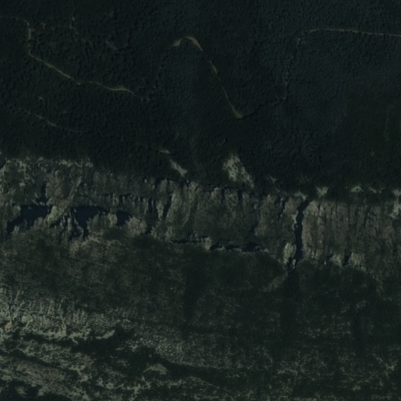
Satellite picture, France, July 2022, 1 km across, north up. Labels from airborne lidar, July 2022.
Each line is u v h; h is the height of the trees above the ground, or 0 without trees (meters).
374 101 12
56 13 20
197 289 9
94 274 0
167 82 11
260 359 7
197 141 12
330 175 6
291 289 11
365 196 6
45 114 18
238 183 9
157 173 15
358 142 18
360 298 8
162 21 13
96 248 0
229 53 20
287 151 14
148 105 18
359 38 15
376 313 6
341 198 9
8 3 15
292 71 16
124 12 27
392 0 19
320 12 19
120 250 0
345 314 8
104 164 13
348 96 12
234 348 7
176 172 11
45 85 15
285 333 6
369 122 12
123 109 18
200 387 6
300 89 16
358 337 8
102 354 9
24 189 8
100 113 20
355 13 17
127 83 19
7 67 25
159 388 7
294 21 12
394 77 19
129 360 7
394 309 6
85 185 7
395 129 8
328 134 16
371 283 8
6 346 6
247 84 26
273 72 19
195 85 18
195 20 18
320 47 8
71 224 6
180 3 15
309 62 13
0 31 15
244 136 26
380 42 16
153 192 6
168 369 6
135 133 21
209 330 5
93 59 21
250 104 23
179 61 14
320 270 6
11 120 20
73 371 6
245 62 17
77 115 17
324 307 6
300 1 18
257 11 13
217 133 23
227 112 25
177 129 6
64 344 8
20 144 15
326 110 17
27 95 16
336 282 6
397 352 5
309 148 18
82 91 22
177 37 9
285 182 9
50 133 25
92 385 7
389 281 6
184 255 7
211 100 19
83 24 28
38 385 7
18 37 22
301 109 17
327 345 5
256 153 16
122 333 6
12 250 0
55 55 22
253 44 13
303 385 6
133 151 24
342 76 13
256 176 9
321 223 6
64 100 16
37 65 26
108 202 0
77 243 0
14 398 11
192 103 12
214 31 29
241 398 7
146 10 21
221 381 7
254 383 10
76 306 6
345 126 17
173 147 18
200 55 17
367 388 7
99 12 34
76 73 23
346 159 18
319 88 14
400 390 6
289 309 6
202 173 10
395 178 20
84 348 6
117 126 22
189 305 9
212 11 19
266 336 8
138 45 18
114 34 29
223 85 17
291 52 9
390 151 12
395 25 14
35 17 19
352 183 7
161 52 17
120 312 7
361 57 21
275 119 17
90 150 14
